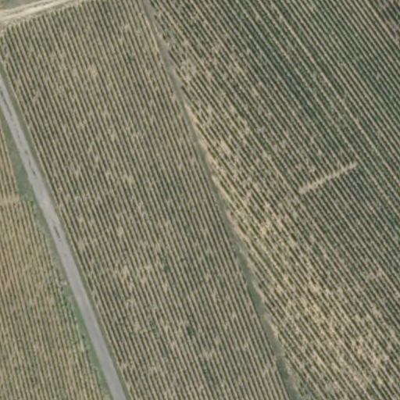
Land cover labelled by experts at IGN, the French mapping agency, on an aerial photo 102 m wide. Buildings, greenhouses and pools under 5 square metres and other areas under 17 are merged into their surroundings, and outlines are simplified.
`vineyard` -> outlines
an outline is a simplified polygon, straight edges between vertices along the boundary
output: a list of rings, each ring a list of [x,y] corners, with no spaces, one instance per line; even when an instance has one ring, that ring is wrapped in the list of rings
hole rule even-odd
[[[66,270],[62,266],[61,256],[48,228],[47,219],[37,202],[33,186],[28,181],[27,170],[23,166],[16,142],[12,139],[11,130],[0,106],[0,400],[114,400],[86,323],[81,316],[77,298],[73,295]]]
[[[17,119],[27,139],[31,156],[41,173],[50,202],[66,234],[67,245],[111,356],[112,366],[119,378],[123,391],[122,400],[400,400],[400,0],[92,0],[83,2],[80,6],[70,6],[64,11],[48,12],[44,9],[22,19],[9,20],[8,25],[0,23],[0,75],[5,81],[9,98],[16,109]]]

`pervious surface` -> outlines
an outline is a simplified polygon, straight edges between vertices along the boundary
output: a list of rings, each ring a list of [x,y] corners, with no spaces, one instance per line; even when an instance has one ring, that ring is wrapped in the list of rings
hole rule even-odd
[[[48,228],[61,256],[62,266],[66,270],[73,295],[77,298],[81,316],[86,323],[114,400],[122,400],[123,391],[119,378],[112,366],[111,356],[67,245],[66,234],[50,202],[41,173],[31,156],[27,139],[17,119],[16,109],[9,98],[5,81],[0,75],[0,106],[11,130],[12,139],[16,142],[23,166],[27,170],[28,181],[33,186],[37,202],[47,219]]]
[[[44,9],[48,12],[64,11],[70,6],[80,6],[83,2],[92,0],[0,0],[0,23],[8,25],[9,20],[22,19]]]

